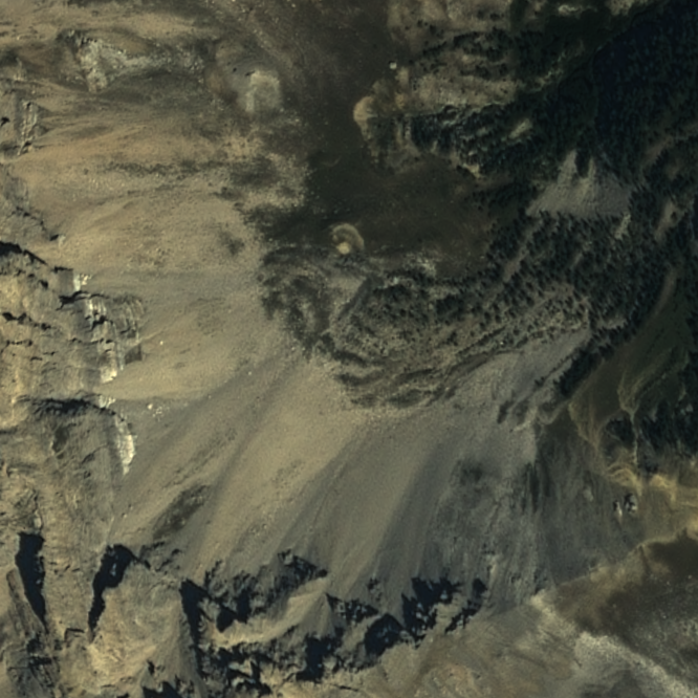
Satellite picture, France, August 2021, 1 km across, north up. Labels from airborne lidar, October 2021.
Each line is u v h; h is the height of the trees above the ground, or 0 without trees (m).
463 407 0
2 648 0
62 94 0
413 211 0
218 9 0
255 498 0
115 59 0
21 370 0
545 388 0
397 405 0
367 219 0
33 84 0
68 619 0
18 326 0
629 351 0
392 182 0
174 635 0
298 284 0
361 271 0
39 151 0
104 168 0
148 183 0
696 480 0
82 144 0
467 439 0
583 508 0
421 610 0
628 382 0
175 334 0
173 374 0
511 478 0
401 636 0
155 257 0
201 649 0
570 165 0
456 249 0
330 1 0
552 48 6
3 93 0
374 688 0
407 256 0
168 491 0
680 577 0
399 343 0
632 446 0
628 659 0
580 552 0
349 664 0
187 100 0
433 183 0
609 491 0
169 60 0
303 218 0
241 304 0
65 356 0
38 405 0
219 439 0
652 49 6
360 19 0
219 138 0
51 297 0
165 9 0
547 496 0
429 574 0
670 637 0
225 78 0
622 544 0
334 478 0
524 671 0
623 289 10
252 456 0
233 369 0
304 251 0
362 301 0
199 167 0
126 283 0
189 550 0
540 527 0
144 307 0
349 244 0
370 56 0
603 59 9
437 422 0
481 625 0
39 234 0
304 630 0
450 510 0
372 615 0
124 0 0
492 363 0
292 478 0
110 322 0
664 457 0
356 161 0
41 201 0
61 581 0
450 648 0
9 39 0
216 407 0
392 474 0
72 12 0
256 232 0
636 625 0
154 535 0
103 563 0
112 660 0
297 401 0
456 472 0
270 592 0
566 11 0
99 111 0
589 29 7
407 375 0
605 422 0
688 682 0
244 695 0
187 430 0
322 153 0
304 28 0
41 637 0
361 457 0
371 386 0
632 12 8
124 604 0
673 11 6
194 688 0
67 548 0
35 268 0
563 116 27
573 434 0
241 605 0
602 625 0
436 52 9
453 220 0
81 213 0
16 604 0
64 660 0
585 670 0
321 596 0
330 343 0
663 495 0
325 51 0
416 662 0
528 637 0
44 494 0
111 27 0
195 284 0
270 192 0
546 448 0
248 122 0
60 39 0
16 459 0
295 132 0
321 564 0
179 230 0
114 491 0
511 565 0
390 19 0
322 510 0
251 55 0
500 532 0
